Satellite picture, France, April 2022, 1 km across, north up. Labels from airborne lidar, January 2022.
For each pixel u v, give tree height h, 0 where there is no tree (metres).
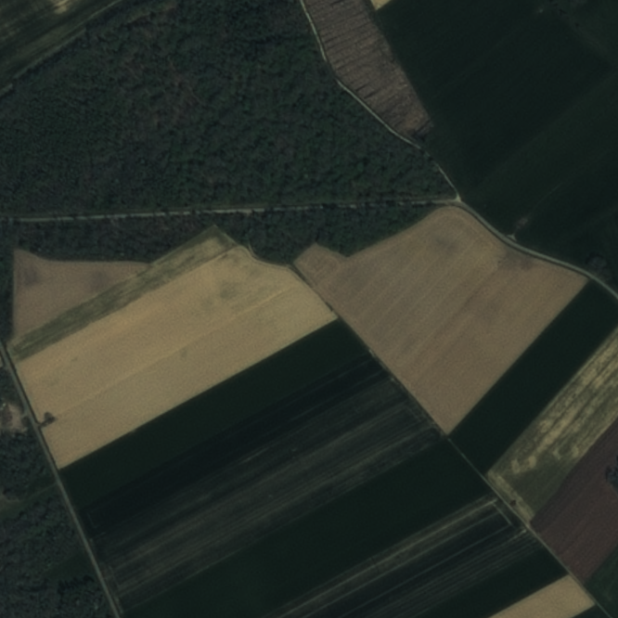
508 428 0
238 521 0
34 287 0
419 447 0
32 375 0
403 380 0
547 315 0
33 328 0
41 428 0
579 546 0
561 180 0
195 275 0
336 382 0
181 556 0
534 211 0
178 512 0
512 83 0
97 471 0
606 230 0
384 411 0
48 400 0
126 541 0
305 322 0
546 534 0
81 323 0
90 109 20
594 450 0
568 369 0
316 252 0
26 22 0
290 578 0
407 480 0
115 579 0
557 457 0
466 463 0
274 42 13
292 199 27
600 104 0
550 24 0
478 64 0
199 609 0
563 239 0
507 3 0
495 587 0
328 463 0
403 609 0
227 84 28
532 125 0
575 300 0
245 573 0
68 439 0
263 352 0
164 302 0
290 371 0
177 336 0
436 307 0
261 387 0
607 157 0
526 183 0
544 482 0
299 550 0
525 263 0
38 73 9
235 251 0
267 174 29
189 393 0
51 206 23
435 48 0
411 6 0
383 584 0
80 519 0
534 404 0
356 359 0
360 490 0
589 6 0
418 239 0
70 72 23
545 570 0
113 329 0
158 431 0
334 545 0
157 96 26
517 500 0
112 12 0
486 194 0
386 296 0
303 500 0
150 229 7
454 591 0
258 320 0
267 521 0
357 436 0
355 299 0
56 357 0
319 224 28
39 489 0
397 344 0
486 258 0
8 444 26
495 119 0
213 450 0
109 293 0
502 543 0
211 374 0
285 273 0
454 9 0
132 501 0
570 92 0
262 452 0
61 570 0
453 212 0
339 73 0
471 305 0
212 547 0
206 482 0
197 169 26
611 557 0
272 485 0
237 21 18
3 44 0
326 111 26
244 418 0
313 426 0
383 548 0
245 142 27
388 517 0
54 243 29
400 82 0
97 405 0
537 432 0
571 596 0
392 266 0
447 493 0
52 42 0
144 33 27
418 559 0
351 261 0
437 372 0
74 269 0
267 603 0
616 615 0
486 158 0
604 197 0
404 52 0
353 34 0
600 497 0
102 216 0
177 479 0
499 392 0
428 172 19
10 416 0
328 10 0
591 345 0
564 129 0
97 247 28
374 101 0
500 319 0
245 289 0
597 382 0
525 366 0
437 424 0
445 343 0
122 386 0
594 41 0
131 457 0
